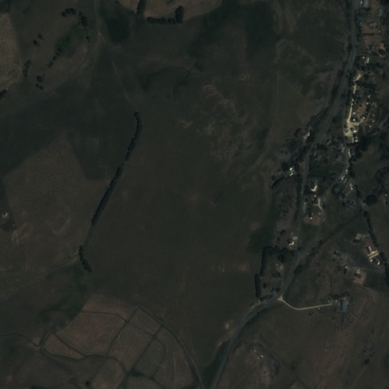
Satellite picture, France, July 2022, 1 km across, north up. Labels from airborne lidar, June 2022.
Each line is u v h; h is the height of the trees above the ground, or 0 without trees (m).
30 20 0
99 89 0
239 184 0
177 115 0
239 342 0
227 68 0
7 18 0
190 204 0
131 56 0
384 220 0
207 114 0
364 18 0
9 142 0
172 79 0
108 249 0
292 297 0
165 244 0
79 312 0
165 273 0
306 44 0
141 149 0
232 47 0
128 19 0
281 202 0
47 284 0
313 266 0
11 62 0
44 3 0
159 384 0
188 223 0
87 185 0
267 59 0
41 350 0
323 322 0
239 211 0
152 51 0
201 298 0
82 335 0
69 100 0
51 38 0
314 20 0
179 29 0
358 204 0
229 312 0
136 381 0
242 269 0
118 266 0
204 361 0
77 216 0
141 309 0
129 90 0
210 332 0
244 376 0
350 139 0
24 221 0
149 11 0
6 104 0
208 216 0
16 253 0
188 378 0
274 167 0
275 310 0
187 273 0
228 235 0
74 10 18
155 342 0
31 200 0
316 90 0
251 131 0
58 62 0
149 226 0
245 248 0
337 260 0
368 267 0
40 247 0
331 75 0
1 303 0
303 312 0
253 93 0
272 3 0
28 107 0
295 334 0
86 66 0
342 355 0
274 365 0
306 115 0
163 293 0
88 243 0
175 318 0
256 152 0
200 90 0
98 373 0
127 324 0
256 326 0
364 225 0
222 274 0
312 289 0
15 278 0
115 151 0
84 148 0
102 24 0
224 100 0
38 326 0
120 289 0
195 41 0
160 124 0
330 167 0
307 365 0
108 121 0
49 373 0
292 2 0
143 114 0
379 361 0
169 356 0
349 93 7
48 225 0
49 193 0
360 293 0
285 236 0
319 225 0
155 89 0
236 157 0
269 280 0
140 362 0
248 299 0
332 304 0
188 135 0
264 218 0
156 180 0
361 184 0
